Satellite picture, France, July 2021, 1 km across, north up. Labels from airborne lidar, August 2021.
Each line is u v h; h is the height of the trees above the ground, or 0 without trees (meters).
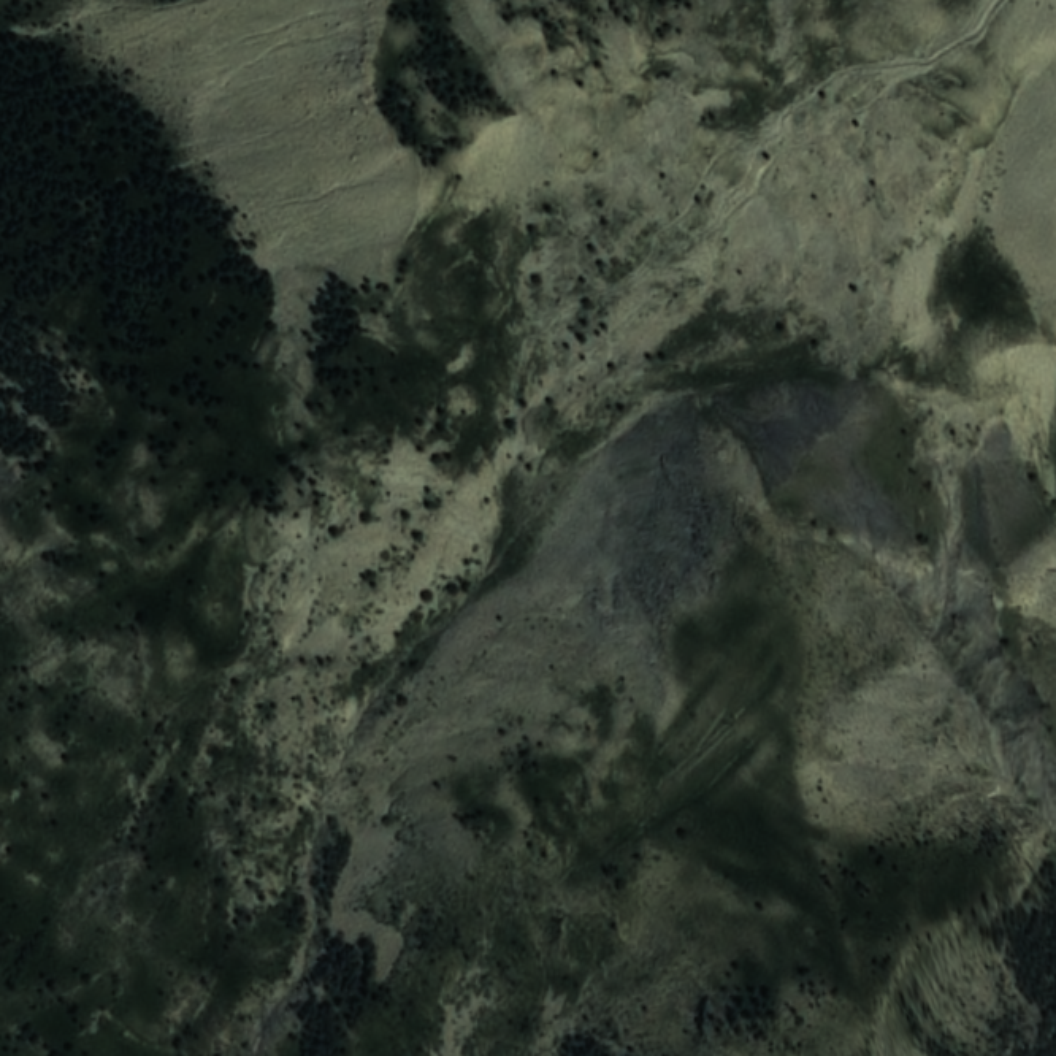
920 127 0
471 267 0
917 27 0
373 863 0
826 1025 0
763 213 0
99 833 0
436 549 0
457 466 0
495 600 0
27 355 12
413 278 0
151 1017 0
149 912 0
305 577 0
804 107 0
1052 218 0
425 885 0
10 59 15
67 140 17
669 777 0
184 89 0
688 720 0
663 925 0
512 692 0
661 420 0
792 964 0
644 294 0
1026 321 0
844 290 0
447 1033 0
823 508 0
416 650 0
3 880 0
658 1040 0
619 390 0
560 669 0
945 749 0
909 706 0
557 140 0
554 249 0
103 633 0
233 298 0
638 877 0
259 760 0
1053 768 0
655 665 0
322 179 0
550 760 0
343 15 0
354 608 0
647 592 0
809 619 0
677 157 0
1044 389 0
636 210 0
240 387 0
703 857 0
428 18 12
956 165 0
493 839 0
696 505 0
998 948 11
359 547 0
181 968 0
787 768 0
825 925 0
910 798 0
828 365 0
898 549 0
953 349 0
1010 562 0
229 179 0
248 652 0
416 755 0
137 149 10
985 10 0
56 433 0
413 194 0
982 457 0
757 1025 7
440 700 0
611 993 0
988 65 0
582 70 0
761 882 0
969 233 0
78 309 0
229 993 0
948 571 0
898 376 0
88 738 0
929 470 0
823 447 0
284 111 0
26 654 0
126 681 0
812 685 0
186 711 0
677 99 0
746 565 0
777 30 0
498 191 0
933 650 0
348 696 0
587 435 0
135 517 0
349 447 0
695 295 0
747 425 0
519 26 0
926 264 0
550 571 0
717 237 0
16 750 0
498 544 0
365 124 0
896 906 0
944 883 0
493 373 0
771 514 0
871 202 0
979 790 0
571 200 0
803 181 0
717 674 0
